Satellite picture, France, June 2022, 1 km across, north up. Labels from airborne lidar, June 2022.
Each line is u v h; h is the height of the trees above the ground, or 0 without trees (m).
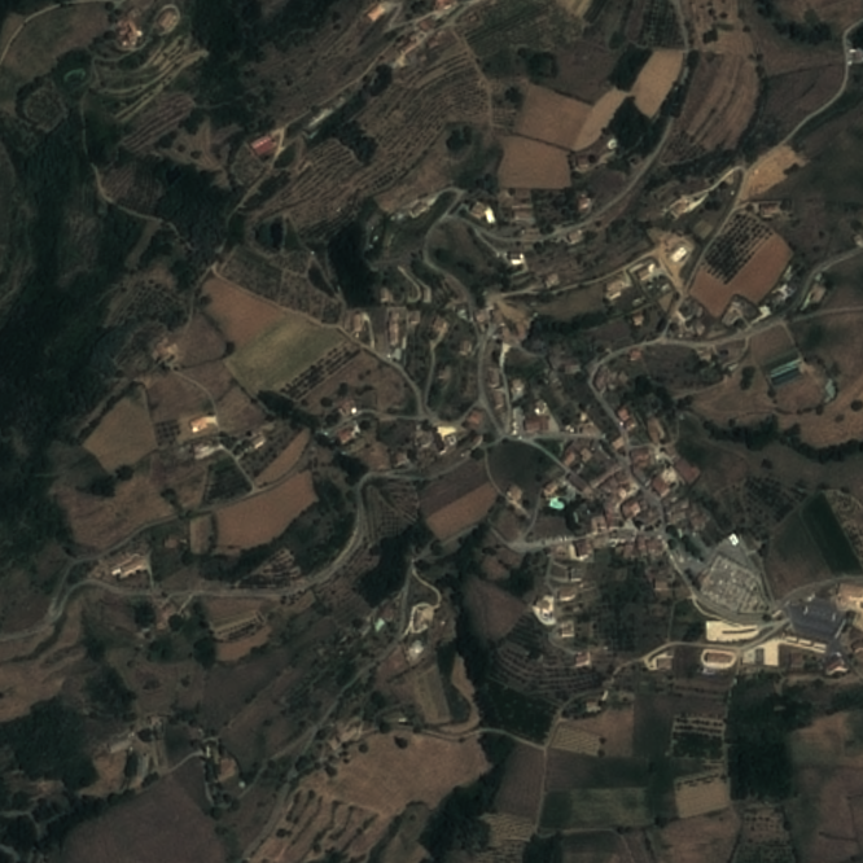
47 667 0
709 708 0
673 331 9
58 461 0
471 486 0
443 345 7
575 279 0
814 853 0
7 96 0
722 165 9
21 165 7
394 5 0
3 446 6
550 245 6
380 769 0
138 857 0
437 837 10
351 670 7
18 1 10
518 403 7
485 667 9
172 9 0
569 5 0
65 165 9
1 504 13
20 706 0
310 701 6
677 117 11
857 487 0
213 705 0
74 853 0
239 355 0
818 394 0
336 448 10
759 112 7
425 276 6
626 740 0
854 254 0
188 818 0
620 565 6
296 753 0
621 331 0
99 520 0
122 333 14
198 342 0
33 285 7
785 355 0
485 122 0
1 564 7
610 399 0
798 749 0
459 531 0
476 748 0
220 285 0
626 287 0
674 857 0
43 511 15
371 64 0
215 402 0
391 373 0
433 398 9
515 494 0
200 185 19
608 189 0
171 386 0
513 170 0
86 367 12
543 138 0
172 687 0
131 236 7
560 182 0
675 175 9
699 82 0
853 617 7
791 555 0
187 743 0
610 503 0
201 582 0
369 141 15
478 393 0
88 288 8
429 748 0
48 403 13
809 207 0
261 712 0
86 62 9
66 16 0
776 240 0
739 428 8
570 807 0
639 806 0
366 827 6
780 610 0
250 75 10
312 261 0
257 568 9
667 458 0
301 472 0
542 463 7
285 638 7
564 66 0
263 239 17
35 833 9
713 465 0
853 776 0
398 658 0
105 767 0
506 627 0
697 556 9
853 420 0
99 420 8
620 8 0
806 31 22
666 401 13
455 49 0
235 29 11
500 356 11
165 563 0
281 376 0
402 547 17
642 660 0
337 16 10
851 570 0
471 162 0
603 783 0
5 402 18
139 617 7
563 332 13
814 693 0
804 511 0
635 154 9
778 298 0
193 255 15
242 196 11
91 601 0
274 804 0
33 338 14
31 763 7
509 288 7
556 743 0
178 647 0
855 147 0
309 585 0
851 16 0
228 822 0
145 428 0
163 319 8
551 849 7
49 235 12
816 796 0
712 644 0
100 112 0
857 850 0
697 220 0
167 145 11
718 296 0
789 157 0
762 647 0
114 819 0
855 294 0
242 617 0
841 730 0
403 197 0
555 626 0
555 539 0
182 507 0
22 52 0
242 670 0
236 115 9
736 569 0
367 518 0
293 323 0
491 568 0
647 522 0
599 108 0
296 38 9
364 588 9
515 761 0
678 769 0
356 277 18
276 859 0
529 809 0
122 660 0
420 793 0
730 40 0
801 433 12
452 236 0
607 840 0
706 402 0
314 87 0
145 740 11
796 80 0
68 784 11
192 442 0
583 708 6
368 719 7
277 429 0
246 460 5
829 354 0
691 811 0
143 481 0
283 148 0
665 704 0
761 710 6
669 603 6
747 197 0
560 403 0
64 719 9
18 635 0
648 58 7
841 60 0
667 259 0
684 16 0
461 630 17
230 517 0
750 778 12
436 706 0
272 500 0
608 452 8
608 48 0
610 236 6
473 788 0
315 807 0
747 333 0
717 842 0
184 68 0
